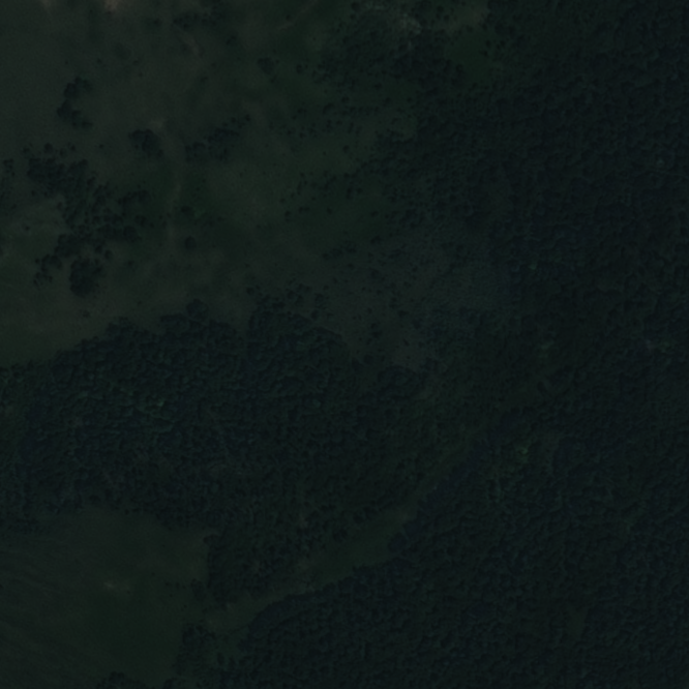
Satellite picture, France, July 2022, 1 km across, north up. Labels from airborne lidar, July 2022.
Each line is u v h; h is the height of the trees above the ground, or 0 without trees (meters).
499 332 15
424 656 31
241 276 0
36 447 29
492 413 33
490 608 36
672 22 32
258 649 10
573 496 9
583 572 24
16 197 0
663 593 18
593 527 14
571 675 24
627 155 10
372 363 17
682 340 28
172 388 22
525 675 29
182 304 0
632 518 25
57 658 0
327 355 18
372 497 11
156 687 0
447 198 10
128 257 0
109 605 0
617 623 16
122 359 24
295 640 9
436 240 6
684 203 21
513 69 10
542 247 28
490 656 24
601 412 9
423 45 15
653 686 12
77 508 13
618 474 30
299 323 18
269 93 0
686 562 14
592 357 9
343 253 10
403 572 27
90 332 0
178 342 26
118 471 23
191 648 21
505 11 26
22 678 0
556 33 9
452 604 15
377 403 15
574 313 35
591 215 14
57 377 17
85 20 0
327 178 9
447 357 8
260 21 0
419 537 26
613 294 27
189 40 0
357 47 15
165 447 25
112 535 0
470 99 15
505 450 23
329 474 10
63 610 0
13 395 8
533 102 18
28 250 0
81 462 24
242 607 0
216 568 22
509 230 24
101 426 21
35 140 0
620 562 14
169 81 0
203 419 28
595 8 7
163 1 0
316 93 0
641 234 30
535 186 30
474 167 11
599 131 19
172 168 0
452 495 18
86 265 21
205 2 0
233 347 24
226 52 0
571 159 21
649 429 31
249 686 12
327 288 8
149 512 10
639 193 9
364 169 12
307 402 31
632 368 23
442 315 11
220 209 0
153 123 0
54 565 0
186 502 20
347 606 12
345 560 0
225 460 24
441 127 17
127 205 19
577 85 39
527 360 27
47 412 17
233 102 0
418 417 16
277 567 28
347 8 0
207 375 19
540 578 23
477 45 0
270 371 22
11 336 0
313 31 0
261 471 26
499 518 30
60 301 0
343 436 22
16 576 0
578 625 0
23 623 0
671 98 25
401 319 8
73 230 11
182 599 0
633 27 30
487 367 10
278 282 0
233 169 0
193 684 0
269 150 0
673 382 10
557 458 11
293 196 8
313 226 0
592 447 25
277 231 0
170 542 0
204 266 0
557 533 20
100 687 8
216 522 15
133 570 0
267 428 9
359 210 0
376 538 0
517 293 28
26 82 0
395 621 31
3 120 0
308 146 0
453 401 12
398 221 7
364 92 0
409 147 13
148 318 0
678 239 7
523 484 15
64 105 10
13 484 6
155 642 0
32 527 11
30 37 0
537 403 6
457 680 11
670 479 20
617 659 12
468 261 9
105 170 0
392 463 18
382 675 14
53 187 11
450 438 18
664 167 8
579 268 19
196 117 0
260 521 24
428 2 11
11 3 0
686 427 11
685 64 30
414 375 16
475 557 12
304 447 9
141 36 0
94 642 0
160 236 0
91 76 0
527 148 8
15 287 0
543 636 12
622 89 26
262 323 16
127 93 0
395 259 7
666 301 30
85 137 0
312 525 22
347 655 25
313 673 20
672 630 23
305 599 24
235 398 28
